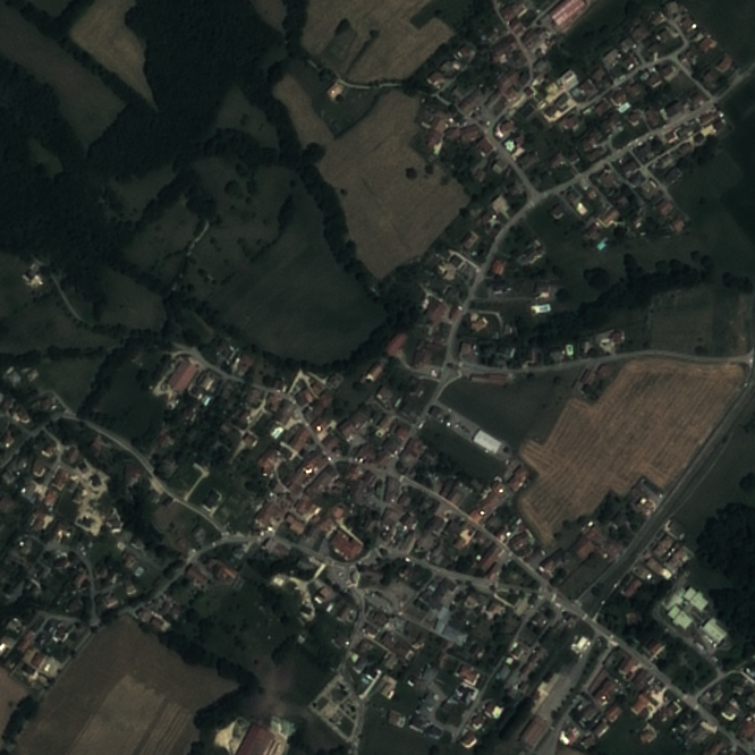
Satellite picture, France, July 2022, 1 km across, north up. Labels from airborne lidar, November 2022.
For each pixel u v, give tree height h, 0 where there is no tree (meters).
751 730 0
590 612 0
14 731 18
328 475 0
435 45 0
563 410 0
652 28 7
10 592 17
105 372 16
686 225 6
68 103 0
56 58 0
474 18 8
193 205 13
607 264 0
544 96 0
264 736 0
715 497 0
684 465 0
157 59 16
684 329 0
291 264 0
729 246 0
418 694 0
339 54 0
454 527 0
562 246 0
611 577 0
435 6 0
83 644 0
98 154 17
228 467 7
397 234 0
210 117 18
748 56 0
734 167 0
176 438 6
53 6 0
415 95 13
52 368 0
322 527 0
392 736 0
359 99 0
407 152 0
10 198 21
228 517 0
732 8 0
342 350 0
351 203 0
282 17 0
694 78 7
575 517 0
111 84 16
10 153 23
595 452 0
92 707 0
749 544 12
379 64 0
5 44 0
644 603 7
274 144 0
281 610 13
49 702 0
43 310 0
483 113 0
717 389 0
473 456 0
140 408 0
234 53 29
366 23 0
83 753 0
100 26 0
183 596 0
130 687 0
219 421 10
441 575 0
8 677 0
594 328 21
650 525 0
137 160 15
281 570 11
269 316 0
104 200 9
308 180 17
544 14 0
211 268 0
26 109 17
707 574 0
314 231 0
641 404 0
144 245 0
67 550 0
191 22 28
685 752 8
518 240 6
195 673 0
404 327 22
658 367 0
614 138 0
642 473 0
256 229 0
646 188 0
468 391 0
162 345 13
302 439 0
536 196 0
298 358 0
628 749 0
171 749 0
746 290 16
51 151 17
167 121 17
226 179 0
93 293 17
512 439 0
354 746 0
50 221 24
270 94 19
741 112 0
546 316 0
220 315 8
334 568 0
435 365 0
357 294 0
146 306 0
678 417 0
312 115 0
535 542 0
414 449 0
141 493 15
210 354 13
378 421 11
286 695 0
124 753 0
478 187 0
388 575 12
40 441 6
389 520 0
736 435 0
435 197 0
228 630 6
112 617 17
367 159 0
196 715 0
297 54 16
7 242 17
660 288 24
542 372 0
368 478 0
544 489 0
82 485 0
